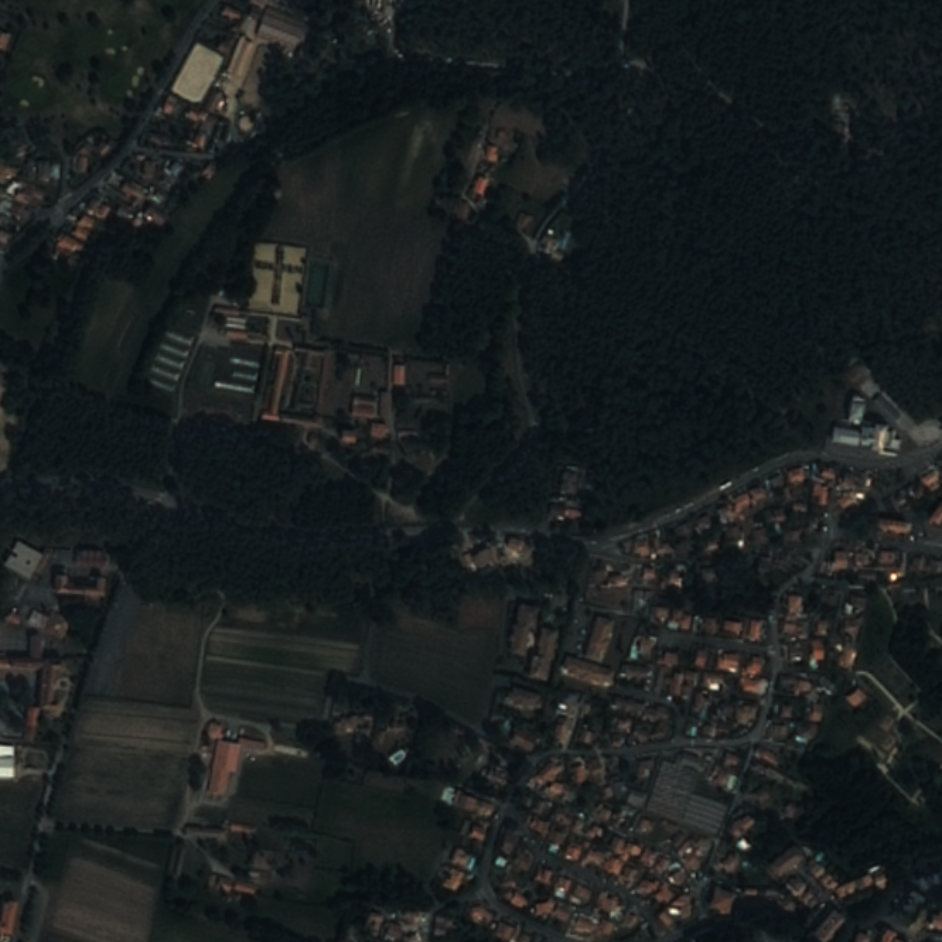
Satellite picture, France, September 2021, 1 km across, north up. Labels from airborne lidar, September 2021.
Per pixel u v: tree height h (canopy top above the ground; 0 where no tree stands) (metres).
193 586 20
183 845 10
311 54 19
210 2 0
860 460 0
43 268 19
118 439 17
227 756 0
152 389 13
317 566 25
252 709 0
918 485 7
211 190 0
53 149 14
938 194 26
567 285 20
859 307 21
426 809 0
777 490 12
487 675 0
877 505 12
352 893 7
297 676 0
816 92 23
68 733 8
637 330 17
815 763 15
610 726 7
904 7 27
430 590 24
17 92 0
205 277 12
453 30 22
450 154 12
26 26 8
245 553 25
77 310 14
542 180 0
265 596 22
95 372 0
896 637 8
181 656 0
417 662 0
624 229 19
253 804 0
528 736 0
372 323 0
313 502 15
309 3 14
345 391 0
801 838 10
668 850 0
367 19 18
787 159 16
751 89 19
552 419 18
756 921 16
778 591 7
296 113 19
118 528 21
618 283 19
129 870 0
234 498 22
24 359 11
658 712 0
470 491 15
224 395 0
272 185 13
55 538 22
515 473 17
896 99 24
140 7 0
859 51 25
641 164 21
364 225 0
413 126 0
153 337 11
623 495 23
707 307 19
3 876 9
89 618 23
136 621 0
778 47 18
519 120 0
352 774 9
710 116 16
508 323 17
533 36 20
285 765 0
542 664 0
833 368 20
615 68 17
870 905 9
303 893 0
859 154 18
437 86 18
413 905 17
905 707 0
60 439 16
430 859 0
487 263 20
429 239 0
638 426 26
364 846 0
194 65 0
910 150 25
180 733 0
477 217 6
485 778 7
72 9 0
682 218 19
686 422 25
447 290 18
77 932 0
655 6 19
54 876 0
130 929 0
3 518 21
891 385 21
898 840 12
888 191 27
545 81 24
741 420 22
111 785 0
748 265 20
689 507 0
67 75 13
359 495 14
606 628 0
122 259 19
